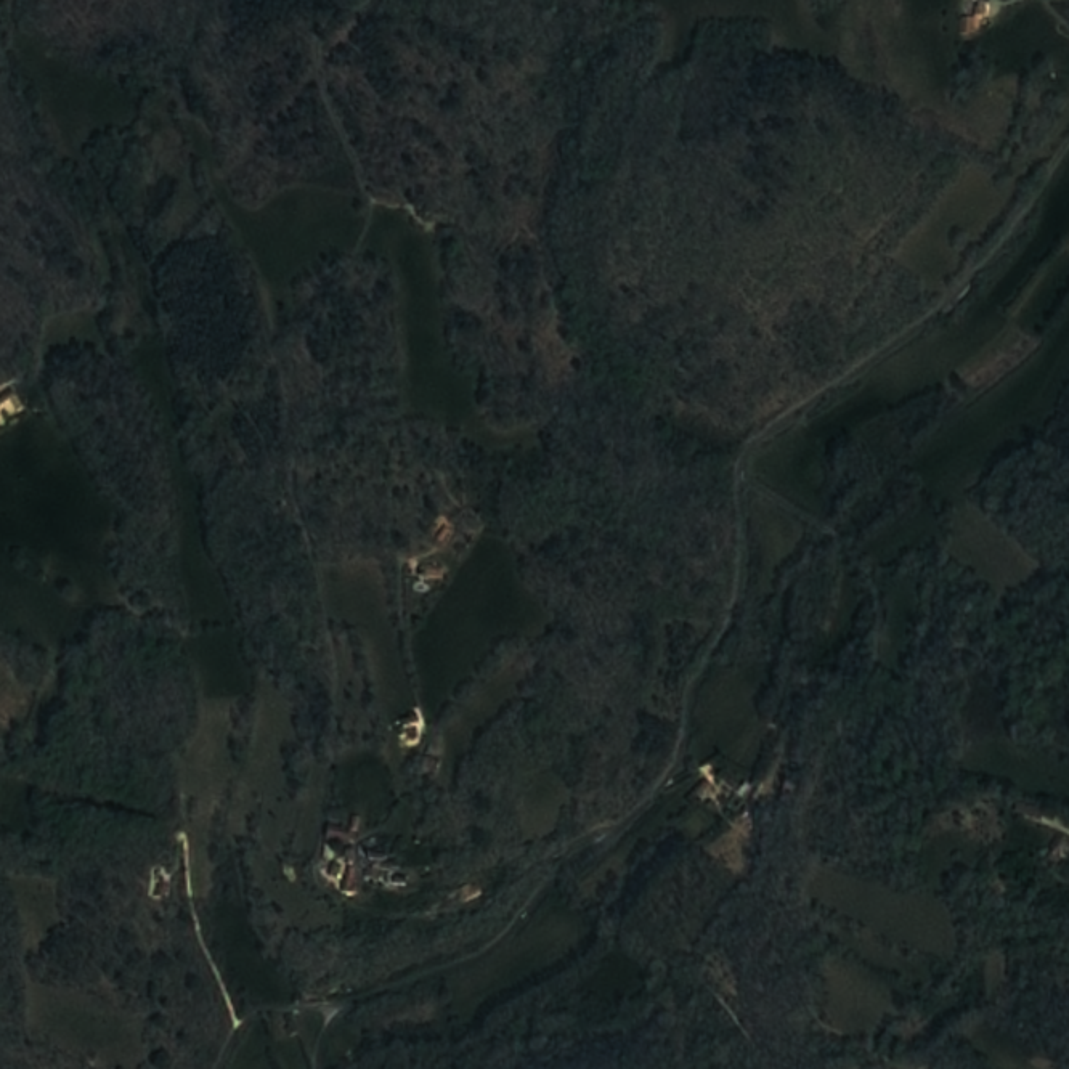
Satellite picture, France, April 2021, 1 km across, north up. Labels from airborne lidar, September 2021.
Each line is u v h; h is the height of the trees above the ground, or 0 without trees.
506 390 14
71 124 0
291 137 11
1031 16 0
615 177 15
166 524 25
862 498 19
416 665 10
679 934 34
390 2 16
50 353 0
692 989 6
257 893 9
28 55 0
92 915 18
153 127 0
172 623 17
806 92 23
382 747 13
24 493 0
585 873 16
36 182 16
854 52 0
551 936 0
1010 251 13
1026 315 0
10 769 13
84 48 9
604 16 15
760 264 12
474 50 22
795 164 18
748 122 10
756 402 15
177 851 12
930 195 19
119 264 14
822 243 15
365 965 13
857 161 17
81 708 22
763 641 18
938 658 18
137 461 25
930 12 0
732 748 0
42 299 19
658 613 19
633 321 21
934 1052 21
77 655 22
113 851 15
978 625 22
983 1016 19
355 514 14
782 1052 21
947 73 0
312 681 14
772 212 18
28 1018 10
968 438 0
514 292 20
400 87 11
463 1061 11
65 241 29
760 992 20
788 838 18
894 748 22
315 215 0
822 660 11
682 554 16
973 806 13
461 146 19
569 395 21
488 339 14
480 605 0
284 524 19
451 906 15
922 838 10
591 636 16
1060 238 10
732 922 18
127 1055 0
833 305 19
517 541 11
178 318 16
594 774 11
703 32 10
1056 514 25
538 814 0
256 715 18
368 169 8
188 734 20
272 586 16
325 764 11
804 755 19
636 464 19
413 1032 12
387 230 0
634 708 16
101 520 0
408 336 0
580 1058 16
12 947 18
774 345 12
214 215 15
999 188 12
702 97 9
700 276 12
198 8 18
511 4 15
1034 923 18
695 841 8
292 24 23
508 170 9
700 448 21
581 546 23
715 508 17
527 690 15
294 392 14
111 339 17
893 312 18
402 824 0
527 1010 18
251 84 14
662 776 12
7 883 12
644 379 26
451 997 8
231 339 16
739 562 19
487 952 0
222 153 11
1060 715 8
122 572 21
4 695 0
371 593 0
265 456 13
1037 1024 17
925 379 0
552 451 26
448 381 0
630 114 19
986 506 16
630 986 0
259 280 11
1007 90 0
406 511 15
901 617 0
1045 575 12
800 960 17
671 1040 19
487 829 23
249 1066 0
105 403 22
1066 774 0
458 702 14
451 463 17
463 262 20
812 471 0
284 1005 0
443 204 12
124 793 19
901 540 0
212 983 13
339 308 21
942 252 0
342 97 13
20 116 23
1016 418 0
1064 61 0
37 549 0
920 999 8
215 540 22
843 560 13
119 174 17
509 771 22
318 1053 0
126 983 15
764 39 12
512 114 18
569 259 23
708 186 15
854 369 15
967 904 17
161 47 23
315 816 0
